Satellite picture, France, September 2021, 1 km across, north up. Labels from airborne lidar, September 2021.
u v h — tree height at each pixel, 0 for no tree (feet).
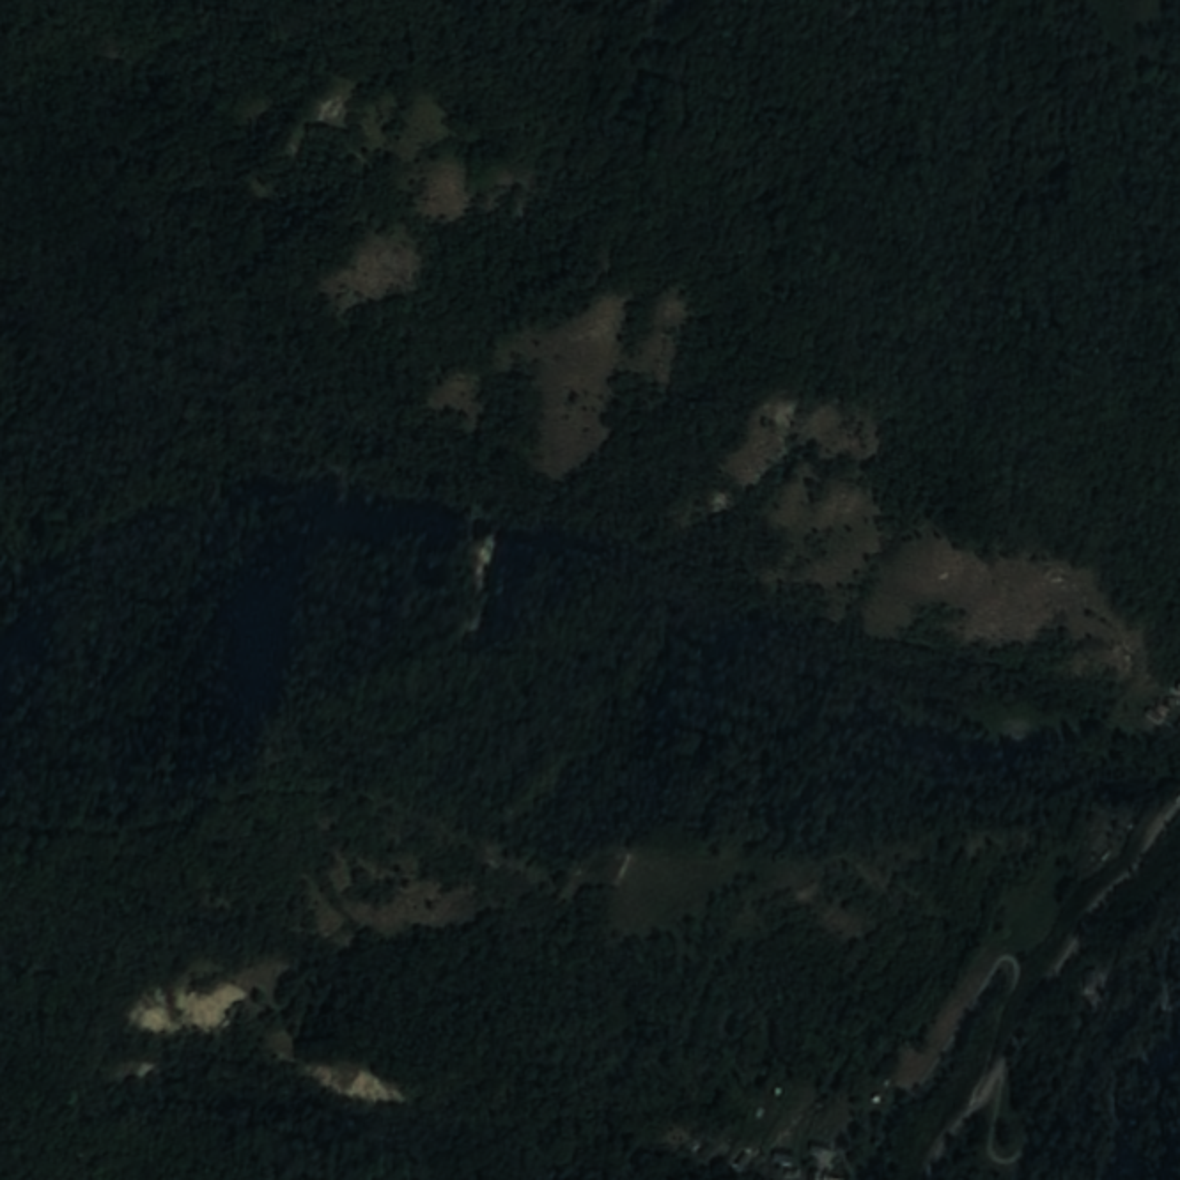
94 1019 64
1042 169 46
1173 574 62
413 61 70
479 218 43
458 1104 61
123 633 69
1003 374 86
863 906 49
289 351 69
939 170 82
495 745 78
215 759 76
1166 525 68
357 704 69
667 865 0
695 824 43
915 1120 57
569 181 63
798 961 40
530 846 39
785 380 41
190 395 51
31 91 28
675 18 61
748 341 47
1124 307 72
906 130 51
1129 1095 42
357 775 76
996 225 79
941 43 105
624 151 56
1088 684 38
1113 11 0
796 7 77
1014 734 0
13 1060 77
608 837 66
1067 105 72
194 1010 0
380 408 104
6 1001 63
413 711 56
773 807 58
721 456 57
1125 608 27
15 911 72
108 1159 50
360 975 66
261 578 83
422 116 0
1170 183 80
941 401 69
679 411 67
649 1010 77
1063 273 92
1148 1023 38
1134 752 49
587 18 78
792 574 23
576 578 69
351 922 22
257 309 84
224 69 69
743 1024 43
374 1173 90
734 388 55
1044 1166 62
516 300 68
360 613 68
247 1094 67
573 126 63
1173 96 50
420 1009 81
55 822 53
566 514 82
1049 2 77
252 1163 75
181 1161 64
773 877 0
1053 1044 58
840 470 35
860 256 50
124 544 73
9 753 61
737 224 63
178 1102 89
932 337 64
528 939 64
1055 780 86
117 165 102
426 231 27
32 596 76
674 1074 73
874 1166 21
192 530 94
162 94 111
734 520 58
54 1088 76
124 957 72
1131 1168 57
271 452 32
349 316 41
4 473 78
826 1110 30
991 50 63
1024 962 33
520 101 56
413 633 68
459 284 58
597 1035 54
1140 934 75
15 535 59
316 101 25
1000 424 76
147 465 74
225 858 70
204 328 45
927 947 39
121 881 69
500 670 87
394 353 67
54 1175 88
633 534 68
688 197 63
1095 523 74
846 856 40
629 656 72
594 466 39
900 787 79
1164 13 44
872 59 72
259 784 28
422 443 77
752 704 63
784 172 69
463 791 61
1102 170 76
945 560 0
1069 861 20
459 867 31
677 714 58
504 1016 69
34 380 57
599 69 66
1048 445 63
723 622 82
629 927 0
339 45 63
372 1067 63
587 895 47
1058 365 82
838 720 74
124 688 98
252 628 64
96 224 82
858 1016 68
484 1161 74
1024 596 0
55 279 91
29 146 79
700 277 52
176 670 90
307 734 49
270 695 28
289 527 68
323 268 42
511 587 55
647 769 60
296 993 66
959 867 45
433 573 54
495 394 43
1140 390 71
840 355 64
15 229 100
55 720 67
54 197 102
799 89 88
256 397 55
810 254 82
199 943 48
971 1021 43
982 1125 50
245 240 120
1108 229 80
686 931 44
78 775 57
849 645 52
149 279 93
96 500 71
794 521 0
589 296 37
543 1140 63
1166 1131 84
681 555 88
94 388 67
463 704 74
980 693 64
